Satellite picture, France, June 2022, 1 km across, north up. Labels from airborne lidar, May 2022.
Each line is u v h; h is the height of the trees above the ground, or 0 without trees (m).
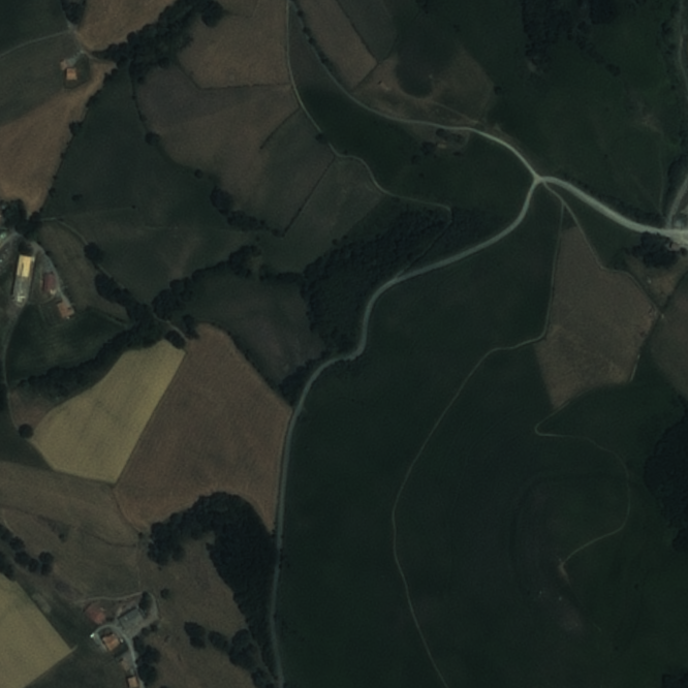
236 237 0
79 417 0
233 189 0
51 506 0
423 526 0
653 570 0
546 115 0
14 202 6
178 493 0
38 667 0
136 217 0
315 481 0
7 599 0
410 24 0
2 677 0
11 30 0
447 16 0
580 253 0
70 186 0
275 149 0
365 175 0
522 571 0
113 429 0
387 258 14
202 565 0
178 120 0
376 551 0
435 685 0
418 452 0
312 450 0
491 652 0
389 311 0
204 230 0
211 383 0
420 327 0
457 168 0
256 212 0
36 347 0
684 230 0
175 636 0
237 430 0
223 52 0
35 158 0
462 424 0
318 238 0
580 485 0
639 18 0
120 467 0
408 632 0
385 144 0
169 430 0
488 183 0
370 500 0
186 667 0
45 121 0
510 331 0
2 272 0
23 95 0
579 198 0
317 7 0
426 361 0
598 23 8
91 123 0
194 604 0
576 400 0
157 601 0
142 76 8
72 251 0
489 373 0
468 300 0
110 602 0
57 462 0
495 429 0
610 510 0
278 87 0
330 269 15
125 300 25
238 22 0
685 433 12
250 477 0
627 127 0
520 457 0
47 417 0
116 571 0
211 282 0
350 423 0
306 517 0
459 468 0
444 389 0
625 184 0
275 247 0
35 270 0
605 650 0
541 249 0
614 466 0
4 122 0
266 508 0
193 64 0
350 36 0
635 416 0
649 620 0
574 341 0
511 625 0
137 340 23
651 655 0
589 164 0
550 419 0
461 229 7
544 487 0
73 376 20
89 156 0
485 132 0
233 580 21
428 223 19
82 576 0
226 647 14
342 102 0
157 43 18
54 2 0
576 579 0
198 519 26
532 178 0
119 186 0
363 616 0
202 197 0
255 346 0
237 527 19
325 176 0
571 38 13
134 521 0
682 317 0
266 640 7
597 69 0
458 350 0
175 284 15
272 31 0
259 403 0
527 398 0
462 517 0
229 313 0
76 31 0
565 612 0
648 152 0
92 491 0
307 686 0
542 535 0
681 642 0
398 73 0
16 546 20
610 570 0
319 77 0
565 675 0
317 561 0
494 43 0
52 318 0
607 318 0
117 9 0
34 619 0
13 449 0
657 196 0
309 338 0
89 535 0
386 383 0
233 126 0
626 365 0
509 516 0
